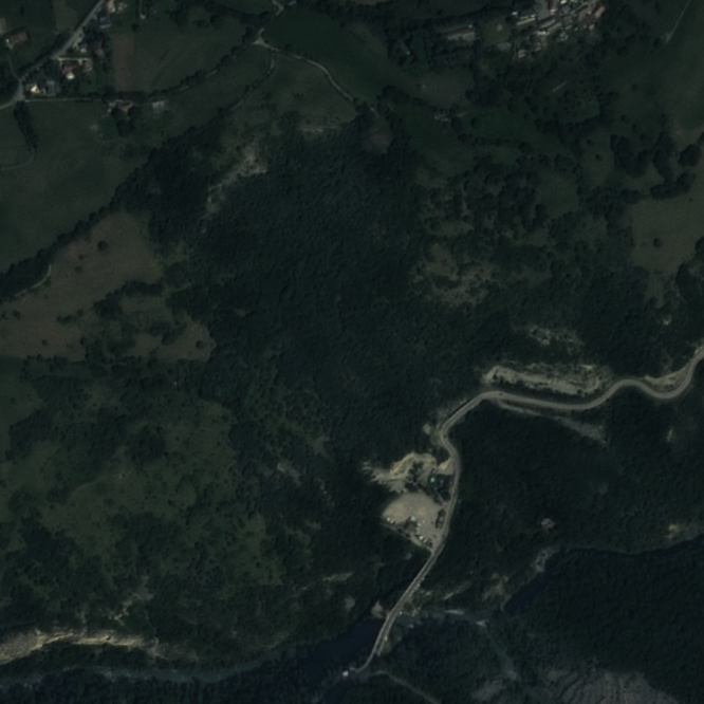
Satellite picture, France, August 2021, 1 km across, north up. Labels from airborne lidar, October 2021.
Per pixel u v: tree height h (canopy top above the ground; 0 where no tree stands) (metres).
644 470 16
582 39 7
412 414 19
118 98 14
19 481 0
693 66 0
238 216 7
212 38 0
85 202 0
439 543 0
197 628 11
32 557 10
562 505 17
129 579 11
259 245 18
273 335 11
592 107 0
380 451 10
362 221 8
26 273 13
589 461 8
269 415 8
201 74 10
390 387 11
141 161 0
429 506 0
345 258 15
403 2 12
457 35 0
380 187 14
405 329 13
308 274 14
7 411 0
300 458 8
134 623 8
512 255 6
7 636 12
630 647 20
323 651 10
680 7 0
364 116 12
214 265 7
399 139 7
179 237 10
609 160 0
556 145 0
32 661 15
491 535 19
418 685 8
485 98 20
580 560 18
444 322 7
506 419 14
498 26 0
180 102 0
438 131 0
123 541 5
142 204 12
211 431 0
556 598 20
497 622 14
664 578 25
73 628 8
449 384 11
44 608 7
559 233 7
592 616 25
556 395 9
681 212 0
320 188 9
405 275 8
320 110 0
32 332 0
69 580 7
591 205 16
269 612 14
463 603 15
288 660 13
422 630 23
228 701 14
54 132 0
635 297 8
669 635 17
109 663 9
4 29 0
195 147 7
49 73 16
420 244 9
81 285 0
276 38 0
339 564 13
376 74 0
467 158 0
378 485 7
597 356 10
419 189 14
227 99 0
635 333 10
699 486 15
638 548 8
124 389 6
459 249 10
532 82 8
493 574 13
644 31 6
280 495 10
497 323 12
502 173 9
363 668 7
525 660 10
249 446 16
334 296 15
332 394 14
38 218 0
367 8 11
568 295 8
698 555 17
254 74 0
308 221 9
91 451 10
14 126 0
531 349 10
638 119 0
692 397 6
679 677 17
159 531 7
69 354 0
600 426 0
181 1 17
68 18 0
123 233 0
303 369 11
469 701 20
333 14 17
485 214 10
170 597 8
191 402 6
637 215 0
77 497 0
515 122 0
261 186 9
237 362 11
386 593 16
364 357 15
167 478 0
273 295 17
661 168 20
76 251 0
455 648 11
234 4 0
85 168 0
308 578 9
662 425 12
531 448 20
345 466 19
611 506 12
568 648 13
